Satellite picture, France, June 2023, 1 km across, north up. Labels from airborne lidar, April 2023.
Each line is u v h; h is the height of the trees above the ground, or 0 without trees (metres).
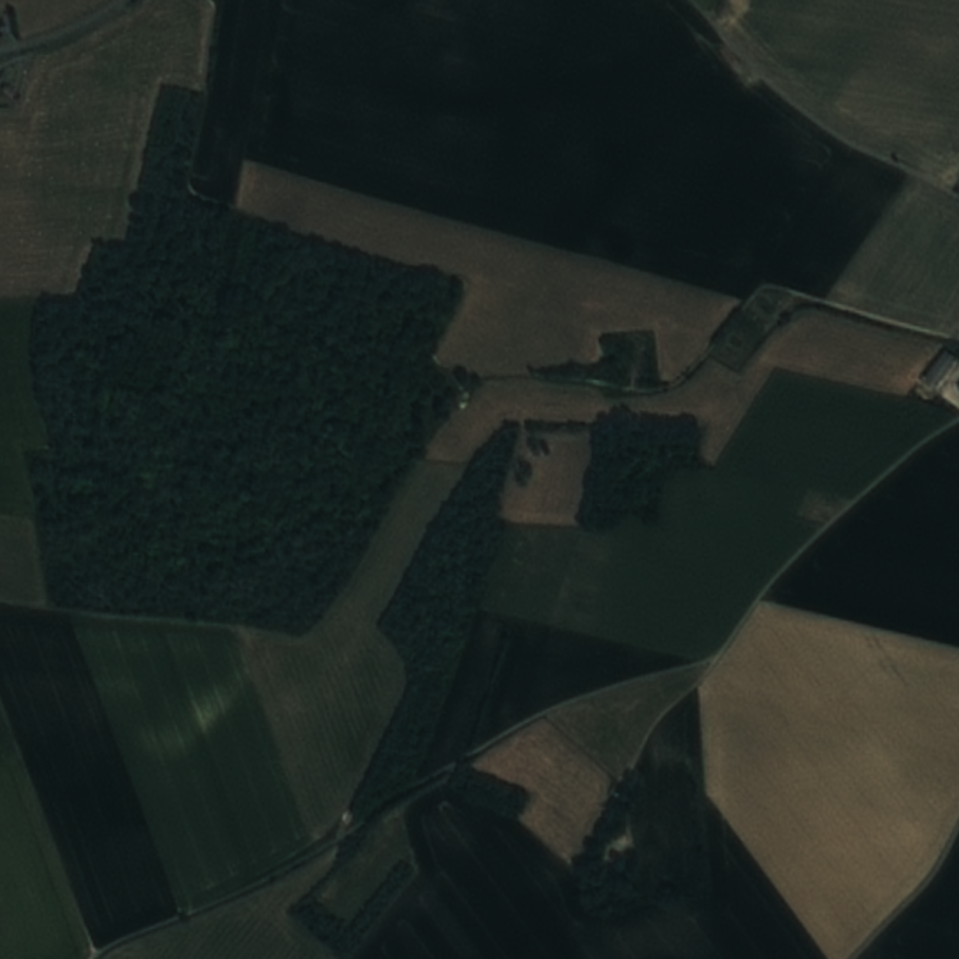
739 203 0
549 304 0
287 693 0
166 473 8
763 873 0
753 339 0
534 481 0
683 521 0
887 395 0
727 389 0
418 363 18
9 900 0
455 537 16
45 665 0
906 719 0
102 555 13
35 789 0
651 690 0
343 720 0
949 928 0
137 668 0
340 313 15
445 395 16
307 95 0
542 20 0
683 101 0
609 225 0
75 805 0
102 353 13
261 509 22
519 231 0
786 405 0
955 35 0
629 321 0
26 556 0
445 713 0
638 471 17
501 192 0
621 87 0
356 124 0
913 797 0
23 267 0
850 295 0
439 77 0
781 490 0
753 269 0
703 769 0
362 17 0
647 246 0
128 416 17
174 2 0
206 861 0
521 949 0
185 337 13
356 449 21
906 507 0
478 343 0
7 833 0
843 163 0
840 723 0
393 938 0
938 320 0
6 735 0
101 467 16
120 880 0
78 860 0
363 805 9
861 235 0
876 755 0
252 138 0
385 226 0
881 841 0
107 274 12
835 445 0
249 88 0
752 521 0
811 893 0
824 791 0
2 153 0
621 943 0
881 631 0
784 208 0
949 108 0
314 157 0
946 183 0
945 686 0
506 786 7
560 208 0
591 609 0
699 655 0
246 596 7
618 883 25
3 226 0
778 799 0
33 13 0
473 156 0
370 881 0
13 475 0
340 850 8
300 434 19
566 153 0
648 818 0
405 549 0
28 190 0
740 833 0
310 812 0
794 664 0
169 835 0
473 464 7
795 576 0
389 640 6
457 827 0
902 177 0
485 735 0
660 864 0
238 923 0
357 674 0
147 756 0
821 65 0
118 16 0
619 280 0
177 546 15
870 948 0
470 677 0
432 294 18
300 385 18
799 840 0
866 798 0
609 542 0
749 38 0
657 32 0
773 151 0
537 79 0
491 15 0
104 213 0
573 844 0
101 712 0
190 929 0
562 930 0
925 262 0
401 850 0
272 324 21
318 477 17
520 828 0
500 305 0
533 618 0
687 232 0
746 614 0
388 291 22
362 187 0
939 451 0
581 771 0
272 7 0
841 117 0
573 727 0
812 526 0
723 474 0
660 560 0
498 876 0
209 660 0
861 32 0
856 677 0
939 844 0
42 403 14
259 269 11
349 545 14
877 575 0
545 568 0
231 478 9
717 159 0
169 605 10
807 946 0
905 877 0
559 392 0
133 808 0
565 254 0
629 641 0
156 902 0
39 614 0
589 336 0
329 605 7
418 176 0
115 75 0
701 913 0
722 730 0
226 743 0
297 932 0
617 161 0
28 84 0
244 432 7
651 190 0
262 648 0
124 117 0
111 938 0
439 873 0
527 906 0
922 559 0
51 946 0
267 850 0
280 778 0
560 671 0
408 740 10
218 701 0
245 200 0
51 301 17
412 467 15
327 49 0
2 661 0
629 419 24
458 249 0
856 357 0
